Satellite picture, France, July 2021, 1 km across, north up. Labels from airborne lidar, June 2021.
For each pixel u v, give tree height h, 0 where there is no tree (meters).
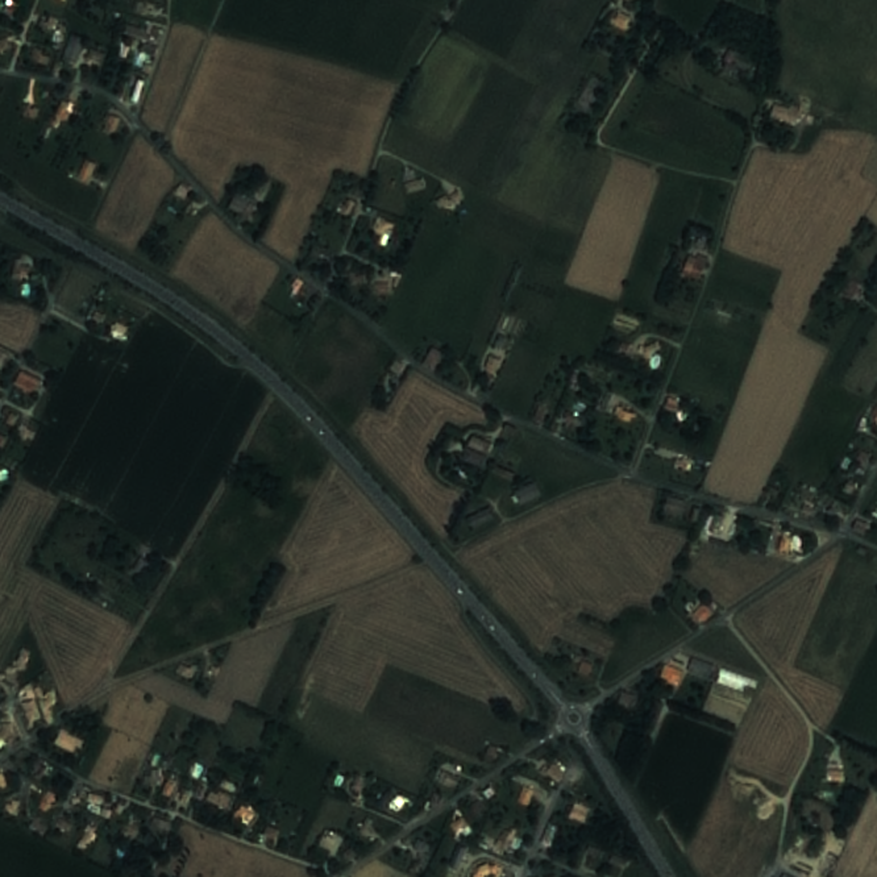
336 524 0
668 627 0
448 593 0
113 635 0
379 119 0
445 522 0
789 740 0
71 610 0
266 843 0
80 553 0
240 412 0
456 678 0
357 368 0
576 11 0
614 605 0
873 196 0
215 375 0
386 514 0
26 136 0
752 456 0
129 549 11
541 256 0
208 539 0
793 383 0
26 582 0
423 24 0
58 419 0
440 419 0
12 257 8
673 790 0
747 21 11
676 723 0
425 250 0
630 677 0
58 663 0
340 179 7
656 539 0
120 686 0
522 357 0
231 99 0
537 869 10
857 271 0
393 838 0
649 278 0
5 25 13
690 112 0
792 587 0
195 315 0
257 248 0
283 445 0
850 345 0
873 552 0
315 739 0
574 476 0
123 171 0
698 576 0
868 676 0
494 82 0
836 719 0
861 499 0
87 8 11
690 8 0
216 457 0
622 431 10
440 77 0
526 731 14
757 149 0
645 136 0
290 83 0
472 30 0
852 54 0
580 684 0
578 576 0
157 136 14
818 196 0
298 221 0
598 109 13
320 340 0
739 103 0
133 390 0
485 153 0
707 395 0
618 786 0
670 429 13
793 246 0
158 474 0
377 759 0
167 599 0
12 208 0
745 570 0
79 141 6
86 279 0
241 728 0
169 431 0
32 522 0
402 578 0
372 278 8
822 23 0
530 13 0
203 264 0
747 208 0
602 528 0
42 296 12
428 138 0
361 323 0
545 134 0
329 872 7
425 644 0
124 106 0
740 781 0
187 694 0
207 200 0
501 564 0
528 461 0
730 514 0
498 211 0
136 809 8
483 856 0
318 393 0
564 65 0
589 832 12
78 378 0
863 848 0
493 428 0
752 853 0
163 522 0
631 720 7
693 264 0
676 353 0
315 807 0
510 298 0
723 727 11
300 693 0
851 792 11
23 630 0
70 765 12
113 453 0
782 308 0
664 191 0
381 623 0
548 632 0
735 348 0
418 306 0
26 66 8
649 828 0
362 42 0
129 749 0
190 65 0
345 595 0
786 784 0
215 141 0
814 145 0
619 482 0
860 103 0
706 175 0
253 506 0
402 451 0
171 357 0
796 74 0
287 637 0
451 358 10
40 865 0
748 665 0
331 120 0
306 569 0
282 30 0
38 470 0
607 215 0
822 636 0
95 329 10
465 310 0
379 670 0
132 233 0
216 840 0
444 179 0
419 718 0
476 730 0
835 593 0
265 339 0
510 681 0
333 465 0
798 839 0
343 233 8
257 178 18
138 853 16
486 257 0
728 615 0
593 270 0
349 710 0
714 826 0
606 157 0
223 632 0
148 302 0
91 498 0
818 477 0
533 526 0
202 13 0
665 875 0
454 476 11
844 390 0
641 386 8
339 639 0
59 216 0
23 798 0
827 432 0
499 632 0
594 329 0
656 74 20
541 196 0
